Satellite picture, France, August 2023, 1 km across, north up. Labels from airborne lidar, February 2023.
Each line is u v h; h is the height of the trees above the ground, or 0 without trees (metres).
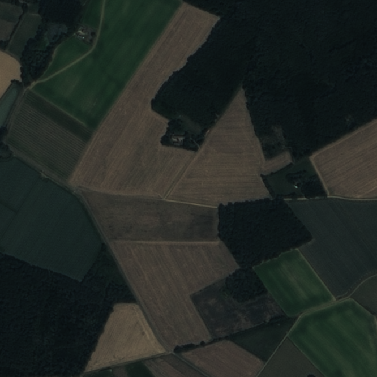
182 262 0
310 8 27
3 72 0
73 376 17
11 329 23
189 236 0
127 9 0
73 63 0
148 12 0
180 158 0
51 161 0
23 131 0
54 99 0
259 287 7
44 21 11
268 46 19
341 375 0
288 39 21
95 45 0
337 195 0
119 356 0
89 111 0
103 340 0
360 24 25
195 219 0
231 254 0
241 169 0
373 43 10
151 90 0
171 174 0
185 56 0
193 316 0
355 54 9
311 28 25
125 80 0
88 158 0
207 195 0
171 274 0
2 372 8
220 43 21
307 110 9
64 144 0
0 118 0
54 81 0
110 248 0
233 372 0
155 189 0
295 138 21
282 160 0
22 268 22
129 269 0
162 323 0
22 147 0
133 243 0
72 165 0
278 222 22
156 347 0
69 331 6
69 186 0
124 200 0
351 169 0
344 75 21
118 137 0
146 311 0
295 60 18
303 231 17
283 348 0
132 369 0
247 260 19
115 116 0
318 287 0
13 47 0
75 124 0
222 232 16
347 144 0
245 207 17
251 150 0
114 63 0
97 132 0
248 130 0
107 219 0
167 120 0
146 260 0
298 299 0
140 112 0
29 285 21
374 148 0
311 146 12
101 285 12
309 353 0
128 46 0
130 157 0
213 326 0
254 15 22
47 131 0
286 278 0
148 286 0
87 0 0
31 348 21
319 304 0
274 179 0
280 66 19
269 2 23
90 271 7
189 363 0
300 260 0
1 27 0
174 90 21
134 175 0
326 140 21
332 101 14
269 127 18
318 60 22
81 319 19
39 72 20
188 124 0
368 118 14
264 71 16
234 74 13
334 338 0
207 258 0
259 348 0
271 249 21
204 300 0
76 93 0
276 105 22
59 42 6
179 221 0
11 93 0
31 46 21
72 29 9
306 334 0
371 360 0
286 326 0
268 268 0
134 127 0
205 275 0
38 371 7
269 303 0
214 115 6
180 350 14
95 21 0
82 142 0
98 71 0
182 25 0
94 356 0
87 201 0
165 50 0
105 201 0
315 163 0
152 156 0
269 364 0
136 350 0
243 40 15
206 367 0
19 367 20
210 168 0
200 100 24
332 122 15
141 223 0
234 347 0
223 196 0
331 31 25
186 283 0
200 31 0
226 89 16
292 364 0
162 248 0
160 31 0
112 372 0
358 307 0
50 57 16
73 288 19
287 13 23
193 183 0
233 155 0
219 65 19
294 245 19
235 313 0
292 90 10
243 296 13
